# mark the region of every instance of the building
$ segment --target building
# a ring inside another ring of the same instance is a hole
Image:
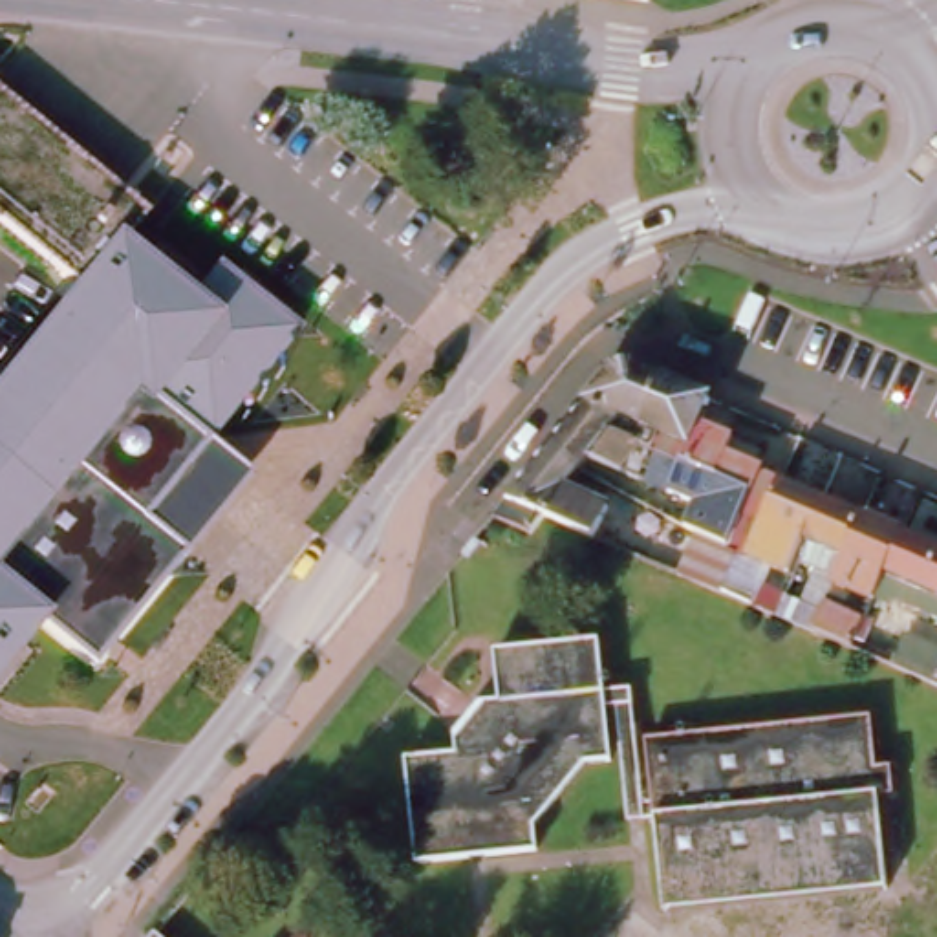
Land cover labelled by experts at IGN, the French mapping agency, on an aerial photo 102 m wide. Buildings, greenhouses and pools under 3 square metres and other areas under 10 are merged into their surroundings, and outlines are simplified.
[[[549,465],[538,469],[534,479],[520,476],[501,490],[505,505],[516,505],[534,516],[534,523],[520,527],[527,534],[538,534],[549,523],[553,527],[586,534],[597,534],[600,527],[630,534],[637,527],[641,538],[633,542],[633,556],[677,567],[681,575],[699,578],[699,586],[721,586],[721,600],[754,608],[772,619],[787,619],[791,626],[802,626],[805,637],[856,648],[867,659],[893,659],[911,673],[937,681],[937,472],[919,461],[893,458],[835,428],[798,425],[791,414],[769,406],[761,399],[761,381],[743,373],[739,366],[710,392],[659,392],[626,373],[622,381],[604,381],[604,395],[589,392],[586,414],[575,425],[542,436],[542,443],[556,454],[549,458]]]
[[[143,922],[135,937],[161,937],[161,922],[154,919]]]
[[[615,754],[622,761],[626,798],[619,809],[626,820],[626,838],[644,849],[652,904],[725,893],[787,893],[809,886],[886,878],[878,802],[893,794],[893,765],[875,754],[871,710],[827,710],[641,732],[633,688],[622,681],[604,681],[600,637],[575,633],[534,637],[498,641],[494,673],[509,673],[509,692],[479,695],[472,695],[450,725],[447,747],[417,747],[399,754],[406,845],[417,856],[487,845],[538,845],[538,820],[564,798],[567,780],[578,780],[582,772],[604,765],[600,754]]]
[[[296,315],[227,256],[220,256],[220,264],[201,282],[190,278],[176,260],[168,260],[157,245],[150,245],[139,231],[128,227],[128,212],[154,209],[150,198],[117,172],[110,172],[66,128],[59,128],[33,102],[26,102],[0,77],[0,249],[18,264],[48,267],[62,289],[62,304],[44,318],[44,326],[26,340],[18,359],[0,373],[0,692],[4,692],[26,659],[40,655],[44,637],[40,626],[55,619],[84,644],[102,648],[106,637],[135,611],[135,600],[150,589],[150,578],[172,560],[172,553],[187,538],[194,538],[205,527],[205,520],[227,501],[227,494],[242,483],[256,458],[223,436],[223,425],[238,406],[253,406],[253,388],[260,373],[289,348]]]

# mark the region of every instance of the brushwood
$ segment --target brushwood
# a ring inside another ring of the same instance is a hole
[[[296,106],[311,124],[329,92],[285,88],[289,106]]]
[[[392,176],[399,168],[399,154],[414,135],[399,121],[388,121],[377,128],[377,146],[366,161],[373,172]]]

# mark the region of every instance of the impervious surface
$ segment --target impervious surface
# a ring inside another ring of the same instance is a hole
[[[622,919],[626,937],[897,937],[900,900],[919,900],[926,889],[915,886],[900,867],[893,878],[886,878],[809,886],[787,893],[725,893],[652,904],[644,849],[626,838],[578,853],[538,845],[487,845],[417,856],[425,867],[454,867],[476,860],[479,871],[501,871],[527,875],[534,878],[571,867],[615,867],[630,886],[622,900],[630,911]]]
[[[534,523],[534,516],[516,505],[505,505],[501,490],[520,476],[534,479],[538,469],[549,465],[549,458],[556,454],[542,443],[542,436],[575,425],[586,414],[589,392],[604,395],[604,381],[622,381],[626,373],[659,392],[710,392],[739,366],[743,373],[761,381],[761,399],[769,406],[791,414],[798,425],[835,428],[893,458],[919,461],[937,472],[937,370],[908,355],[897,355],[882,344],[871,344],[856,333],[845,333],[824,318],[791,311],[772,300],[772,289],[794,289],[882,311],[937,311],[937,0],[0,0],[0,77],[26,102],[33,102],[59,128],[66,128],[110,172],[117,172],[150,198],[154,209],[128,212],[128,227],[139,231],[150,245],[157,245],[168,260],[176,260],[190,278],[201,282],[220,264],[220,256],[227,256],[296,315],[307,315],[307,307],[318,300],[318,307],[333,322],[351,329],[362,340],[362,348],[377,355],[377,366],[366,381],[366,392],[355,403],[348,403],[326,425],[278,428],[256,458],[242,483],[227,494],[227,501],[205,520],[205,527],[194,538],[187,538],[172,553],[172,560],[150,578],[150,589],[135,600],[135,611],[106,637],[102,648],[84,644],[55,619],[40,626],[44,637],[51,637],[62,652],[84,659],[92,670],[121,670],[121,681],[110,692],[106,706],[26,706],[11,703],[4,692],[0,692],[0,813],[15,813],[22,776],[44,761],[99,761],[121,776],[113,802],[84,827],[84,835],[73,845],[51,856],[15,856],[0,842],[0,937],[135,937],[143,922],[154,919],[168,886],[183,882],[194,845],[212,831],[245,783],[267,776],[285,758],[300,758],[311,747],[311,739],[326,728],[326,721],[344,706],[344,699],[359,688],[359,681],[370,670],[384,670],[399,688],[421,695],[425,706],[436,703],[450,725],[472,695],[450,684],[443,673],[432,673],[421,659],[414,659],[399,644],[399,633],[428,600],[428,593],[454,575],[461,553],[487,534],[487,523],[520,527]],[[871,113],[886,117],[882,154],[860,157],[849,143],[842,143],[838,168],[824,172],[820,150],[805,146],[805,128],[794,124],[787,113],[794,95],[809,84],[824,84],[827,113],[838,124],[838,135],[845,135],[845,128],[864,124]],[[494,102],[494,110],[509,124],[509,139],[516,146],[531,154],[549,150],[545,176],[553,179],[549,194],[523,198],[509,212],[498,227],[472,238],[450,234],[436,220],[395,187],[392,176],[373,172],[366,161],[337,139],[318,135],[311,124],[296,106],[289,106],[285,88],[329,92],[370,102],[388,121],[399,121],[410,99],[432,102],[428,121],[436,128],[454,128],[461,121],[465,102],[487,95],[487,102]],[[666,102],[681,110],[681,121],[695,139],[699,183],[662,198],[641,198],[633,165],[637,106]],[[479,307],[494,282],[512,267],[512,260],[531,245],[531,238],[542,227],[571,216],[578,205],[600,205],[604,220],[560,242],[534,267],[534,275],[509,296],[501,315],[483,322]],[[754,282],[754,293],[747,293],[736,307],[736,322],[677,293],[677,285],[699,264],[714,264]],[[425,388],[436,399],[425,406],[421,417],[414,417],[403,428],[395,447],[381,458],[377,472],[348,501],[337,523],[329,531],[311,531],[311,512],[337,490],[351,461],[362,454],[377,421],[395,414],[417,392],[417,381],[425,381]],[[172,633],[161,644],[154,644],[150,652],[132,652],[128,637],[161,604],[161,597],[172,589],[176,575],[190,560],[201,560],[198,575],[205,575],[205,582],[183,604]],[[260,637],[227,699],[187,743],[139,739],[139,728],[157,710],[165,692],[190,670],[190,662],[201,655],[212,633],[245,604],[253,604],[260,615]]]
[[[509,692],[509,673],[494,673],[498,641],[469,637],[469,652],[479,655],[479,695]]]
[[[18,359],[26,340],[44,326],[44,318],[62,304],[62,289],[48,267],[18,264],[0,249],[0,373]]]

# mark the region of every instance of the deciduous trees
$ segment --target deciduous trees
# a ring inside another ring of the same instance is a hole
[[[450,216],[454,205],[483,205],[483,198],[498,201],[509,212],[523,198],[549,194],[553,179],[545,176],[531,183],[516,172],[516,146],[509,139],[509,124],[494,110],[494,102],[487,102],[487,95],[465,102],[461,121],[472,154],[472,168],[461,179],[450,179],[432,161],[425,143],[414,135],[399,154],[399,168],[392,176],[395,187],[436,220]]]
[[[454,867],[425,867],[417,856],[395,853],[395,875],[388,878],[388,886],[377,886],[351,856],[355,842],[366,842],[355,820],[344,824],[344,831],[337,835],[322,831],[318,824],[293,824],[264,838],[249,856],[220,845],[220,835],[212,831],[194,845],[183,882],[187,908],[209,930],[205,937],[626,937],[622,919],[630,911],[622,900],[630,886],[615,867],[571,867],[534,878],[527,875],[509,926],[494,933],[487,915],[505,882],[501,871],[479,871],[476,860]]]
[[[329,92],[311,124],[318,135],[337,139],[366,161],[377,146],[377,128],[388,121],[370,102]]]

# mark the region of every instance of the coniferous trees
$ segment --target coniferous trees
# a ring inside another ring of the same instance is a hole
[[[520,582],[520,615],[538,622],[534,637],[575,633],[575,626],[589,611],[600,608],[600,600],[622,597],[619,578],[593,586],[597,545],[586,534],[553,527],[545,549],[531,560]]]

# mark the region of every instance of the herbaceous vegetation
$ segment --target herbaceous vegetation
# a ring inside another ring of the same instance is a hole
[[[161,922],[161,937],[205,937],[209,930],[187,908],[183,882],[168,886],[154,919]]]
[[[461,179],[472,168],[472,154],[461,121],[454,128],[436,128],[428,121],[432,102],[410,99],[399,121],[414,135],[425,143],[432,161],[450,179]]]
[[[754,282],[714,264],[699,264],[677,285],[677,293],[736,322],[736,307],[747,293],[754,293]]]
[[[417,381],[417,392],[395,414],[377,421],[362,454],[351,461],[337,490],[311,512],[311,531],[329,531],[337,523],[348,501],[377,472],[381,458],[395,447],[403,428],[414,417],[421,417],[425,406],[436,399],[425,388],[425,381]]]
[[[633,688],[641,732],[827,710],[871,710],[875,754],[893,765],[893,794],[878,802],[886,878],[893,878],[900,867],[915,886],[926,889],[919,900],[900,900],[897,937],[937,937],[937,681],[911,673],[893,659],[867,659],[856,648],[805,637],[802,626],[791,626],[787,619],[772,619],[754,608],[721,600],[721,586],[699,586],[699,578],[681,575],[677,567],[633,556],[633,542],[641,538],[637,527],[630,534],[600,527],[597,534],[586,534],[597,545],[593,586],[619,578],[622,597],[600,600],[600,608],[589,611],[575,626],[575,633],[600,637],[604,681],[622,681]]]
[[[622,761],[615,754],[600,754],[604,765],[582,772],[578,780],[567,780],[564,798],[538,820],[538,845],[578,853],[626,838],[626,820],[619,809],[626,798]]]
[[[516,146],[516,172],[531,183],[545,176],[549,150],[531,154]]]
[[[469,637],[498,641],[534,637],[538,622],[520,615],[520,582],[531,560],[545,549],[553,527],[549,523],[538,534],[527,534],[520,527],[487,523],[487,534],[461,553],[454,575],[428,593],[428,600],[399,633],[399,644],[414,659],[421,659],[432,673],[443,673],[450,684],[472,695],[479,695],[479,655],[469,652]]]
[[[256,458],[278,428],[326,425],[348,403],[355,403],[366,392],[366,381],[377,366],[377,355],[362,348],[362,340],[351,329],[333,322],[318,307],[318,300],[307,307],[307,315],[296,315],[289,348],[260,373],[253,388],[253,406],[238,406],[223,425],[223,436]]]
[[[483,205],[454,205],[450,216],[436,220],[450,234],[472,238],[498,227],[509,212],[498,201],[483,198]]]
[[[501,315],[509,296],[534,275],[534,267],[560,242],[604,220],[600,205],[578,205],[571,216],[542,227],[531,238],[531,245],[512,260],[512,267],[494,282],[479,307],[483,322]]]
[[[51,637],[44,637],[40,655],[26,659],[4,692],[11,703],[26,706],[106,706],[110,692],[121,681],[121,670],[92,670],[84,659],[62,652]]]
[[[139,728],[139,739],[187,743],[227,699],[260,637],[260,615],[253,604],[245,604],[212,633],[201,655],[190,662],[190,670],[165,692],[157,710]]]
[[[505,882],[487,915],[494,933],[509,926],[527,875],[501,871]]]
[[[172,589],[161,597],[161,604],[128,637],[132,652],[150,652],[154,644],[161,644],[172,633],[183,604],[205,582],[205,575],[198,575],[201,560],[190,560],[176,575]]]
[[[73,845],[84,835],[84,827],[113,802],[121,776],[99,761],[44,761],[22,776],[15,813],[0,813],[0,842],[15,856],[51,856]]]
[[[425,706],[421,695],[399,688],[384,670],[370,670],[359,681],[359,688],[344,699],[344,706],[326,721],[326,728],[311,739],[311,747],[300,758],[285,758],[267,776],[245,783],[212,831],[220,835],[220,845],[249,856],[264,838],[293,824],[318,824],[322,831],[337,835],[344,831],[344,824],[355,820],[366,842],[355,842],[351,856],[377,886],[388,886],[388,878],[395,875],[395,853],[417,856],[406,845],[399,754],[417,747],[447,747],[450,725],[436,703]]]
[[[882,344],[897,355],[908,355],[937,370],[937,311],[882,311],[794,289],[772,289],[772,300],[791,311],[824,318],[845,333],[856,333],[871,344]]]
[[[824,172],[838,168],[842,143],[849,143],[860,157],[882,154],[886,117],[871,113],[864,124],[845,128],[845,135],[838,135],[838,124],[827,113],[824,84],[809,84],[794,95],[787,113],[794,124],[805,128],[805,146],[820,150]]]
[[[637,106],[633,165],[641,198],[662,198],[699,183],[695,139],[681,121],[681,110],[666,102]]]

